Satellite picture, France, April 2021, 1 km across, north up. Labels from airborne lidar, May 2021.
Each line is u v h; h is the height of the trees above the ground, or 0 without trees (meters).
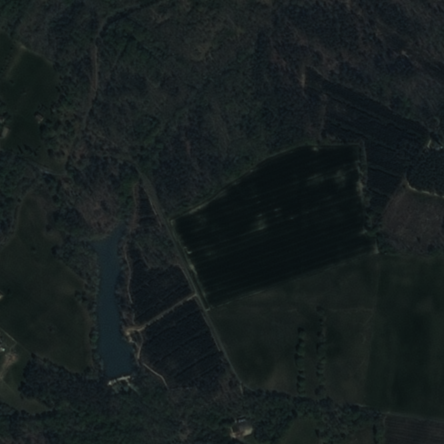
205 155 25
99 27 25
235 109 15
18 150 0
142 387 17
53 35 21
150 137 28
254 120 13
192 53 13
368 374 0
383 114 8
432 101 16
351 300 0
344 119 6
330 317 0
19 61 0
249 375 0
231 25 15
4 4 15
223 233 0
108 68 18
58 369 14
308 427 0
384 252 11
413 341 0
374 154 7
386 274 0
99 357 15
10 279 0
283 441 14
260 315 0
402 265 0
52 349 0
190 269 0
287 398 17
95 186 21
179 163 25
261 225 0
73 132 18
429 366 0
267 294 0
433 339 0
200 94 21
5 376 0
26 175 14
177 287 7
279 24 24
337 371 0
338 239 0
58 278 0
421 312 0
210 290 0
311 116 28
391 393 0
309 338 0
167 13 12
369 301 0
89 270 21
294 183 0
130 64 17
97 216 13
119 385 27
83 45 11
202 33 11
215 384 21
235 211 0
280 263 0
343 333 0
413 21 17
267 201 0
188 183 29
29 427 14
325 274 0
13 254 0
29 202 0
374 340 0
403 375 0
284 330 0
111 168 20
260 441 11
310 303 0
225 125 15
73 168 15
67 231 17
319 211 0
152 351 8
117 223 11
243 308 0
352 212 0
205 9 7
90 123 15
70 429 27
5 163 27
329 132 8
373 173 9
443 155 13
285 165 0
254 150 20
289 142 17
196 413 20
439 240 13
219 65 14
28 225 0
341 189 0
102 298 0
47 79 0
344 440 16
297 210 0
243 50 17
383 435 24
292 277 0
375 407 0
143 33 25
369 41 23
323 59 23
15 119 0
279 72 28
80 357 0
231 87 19
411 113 15
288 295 0
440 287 0
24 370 0
